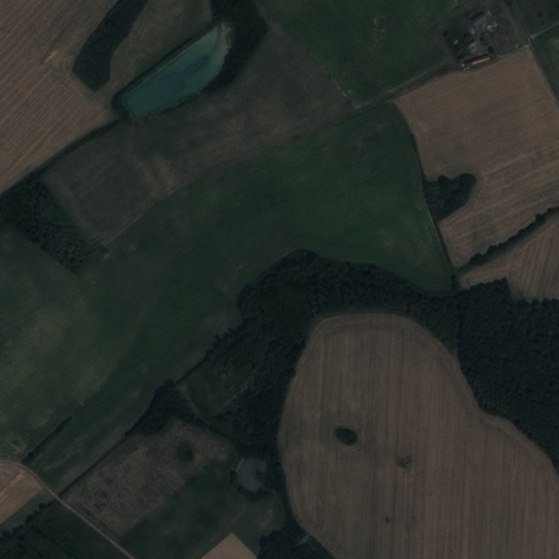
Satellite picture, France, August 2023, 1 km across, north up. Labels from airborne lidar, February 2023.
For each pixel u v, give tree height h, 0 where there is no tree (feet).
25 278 0
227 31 0
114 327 0
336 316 0
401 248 0
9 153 0
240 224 0
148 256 0
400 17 0
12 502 0
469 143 0
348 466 0
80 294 0
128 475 0
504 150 0
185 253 0
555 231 0
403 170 0
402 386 0
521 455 0
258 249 0
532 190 0
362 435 0
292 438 0
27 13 0
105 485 0
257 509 0
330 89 0
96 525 0
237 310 0
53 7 0
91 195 0
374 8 0
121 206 0
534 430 62
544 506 0
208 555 0
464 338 47
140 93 0
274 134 0
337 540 0
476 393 30
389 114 0
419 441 0
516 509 0
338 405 0
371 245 0
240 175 0
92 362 0
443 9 0
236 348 69
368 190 0
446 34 29
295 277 89
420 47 0
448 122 0
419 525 0
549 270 0
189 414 87
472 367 45
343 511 0
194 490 0
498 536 0
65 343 0
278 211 0
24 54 0
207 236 0
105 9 0
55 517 0
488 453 0
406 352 0
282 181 0
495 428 0
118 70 0
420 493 0
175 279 0
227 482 0
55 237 39
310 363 0
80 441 0
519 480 0
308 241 0
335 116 0
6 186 0
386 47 0
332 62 0
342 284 0
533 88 0
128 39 0
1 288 0
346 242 0
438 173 0
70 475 0
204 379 0
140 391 0
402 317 0
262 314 97
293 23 0
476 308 62
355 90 0
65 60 0
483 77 0
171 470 0
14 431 0
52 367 0
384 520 0
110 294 0
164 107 0
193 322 0
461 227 0
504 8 0
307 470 0
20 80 0
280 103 0
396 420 0
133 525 0
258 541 0
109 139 0
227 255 0
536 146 0
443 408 0
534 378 81
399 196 0
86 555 0
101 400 0
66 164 0
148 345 0
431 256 0
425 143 0
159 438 0
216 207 0
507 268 0
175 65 0
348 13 0
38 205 29
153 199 0
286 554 62
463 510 0
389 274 0
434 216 19
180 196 0
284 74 0
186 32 0
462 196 52
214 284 0
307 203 0
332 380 0
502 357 86
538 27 0
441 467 0
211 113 0
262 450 19
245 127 0
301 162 0
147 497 0
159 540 0
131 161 0
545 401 51
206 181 0
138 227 0
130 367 0
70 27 0
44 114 0
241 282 0
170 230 0
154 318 0
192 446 0
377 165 0
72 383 0
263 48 0
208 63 0
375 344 0
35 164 0
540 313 68
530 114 0
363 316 0
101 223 0
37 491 0
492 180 0
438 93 0
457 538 0
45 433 0
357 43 0
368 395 0
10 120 0
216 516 0
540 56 0
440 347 0
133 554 0
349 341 0
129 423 0
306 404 0
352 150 0
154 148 0
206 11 0
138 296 0
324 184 0
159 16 0
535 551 0
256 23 0
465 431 0
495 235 0
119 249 0
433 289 0
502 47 0
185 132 0
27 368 0
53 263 0
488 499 0
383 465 0
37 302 0
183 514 0
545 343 85
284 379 54
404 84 0
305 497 0
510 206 0
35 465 0
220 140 0
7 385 0
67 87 0
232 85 0
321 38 0
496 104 0
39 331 0
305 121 0
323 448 0
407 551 0
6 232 0
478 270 0
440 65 0
